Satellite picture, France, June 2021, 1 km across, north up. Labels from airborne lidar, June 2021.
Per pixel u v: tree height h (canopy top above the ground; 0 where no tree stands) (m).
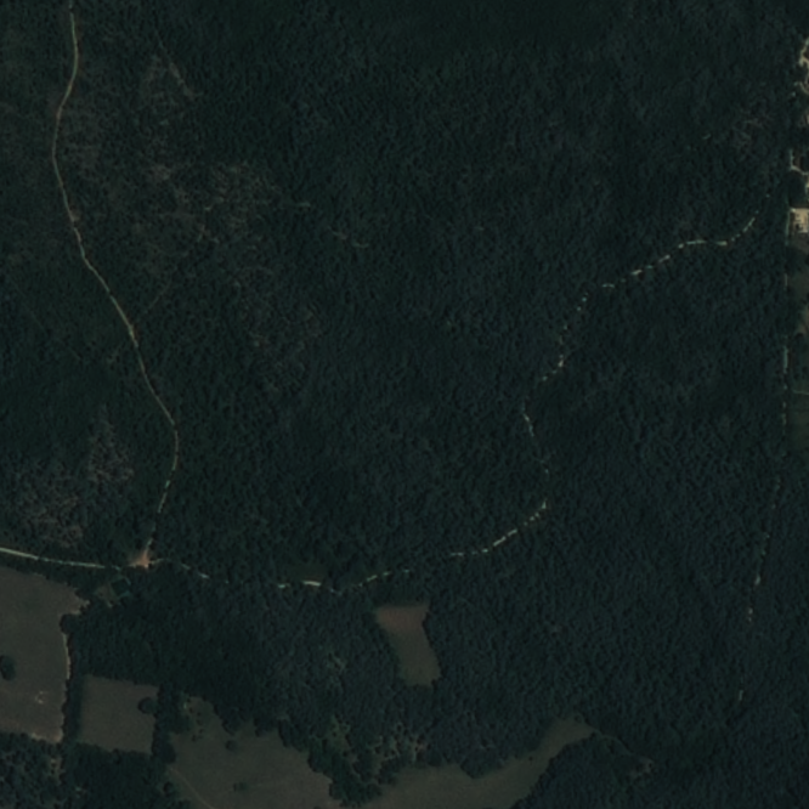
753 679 17
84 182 10
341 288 10
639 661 15
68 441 9
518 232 17
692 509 13
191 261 14
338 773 17
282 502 12
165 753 21
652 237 10
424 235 11
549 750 0
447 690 16
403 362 21
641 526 16
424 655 0
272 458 15
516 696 19
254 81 13
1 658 11
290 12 9
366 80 14
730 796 16
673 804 13
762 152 20
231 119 13
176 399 14
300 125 18
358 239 7
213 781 0
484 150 10
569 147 18
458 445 15
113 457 17
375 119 13
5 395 14
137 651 19
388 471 15
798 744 21
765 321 14
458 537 15
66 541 14
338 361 18
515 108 18
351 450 14
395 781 11
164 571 15
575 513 21
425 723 18
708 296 15
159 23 13
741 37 19
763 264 15
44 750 12
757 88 15
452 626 19
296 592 11
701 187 18
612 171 13
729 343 18
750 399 15
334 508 16
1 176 9
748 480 18
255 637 19
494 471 18
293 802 0
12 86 7
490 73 12
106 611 14
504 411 14
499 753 17
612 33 18
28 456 13
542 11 14
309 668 17
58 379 13
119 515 13
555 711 18
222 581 13
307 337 15
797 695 19
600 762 18
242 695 18
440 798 0
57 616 0
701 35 14
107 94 8
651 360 13
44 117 7
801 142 9
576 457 15
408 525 18
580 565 16
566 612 18
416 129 18
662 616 17
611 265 16
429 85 11
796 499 20
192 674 22
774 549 20
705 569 17
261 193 18
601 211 17
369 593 18
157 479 6
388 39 16
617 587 20
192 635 16
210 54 12
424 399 16
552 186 14
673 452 18
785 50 17
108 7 16
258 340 14
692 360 18
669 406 20
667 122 14
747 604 15
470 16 14
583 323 10
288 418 22
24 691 0
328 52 13
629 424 15
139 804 23
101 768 25
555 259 16
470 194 10
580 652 20
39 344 13
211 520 10
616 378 20
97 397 12
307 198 13
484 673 19
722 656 18
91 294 11
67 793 17
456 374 17
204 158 13
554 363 13
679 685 20
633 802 19
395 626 0
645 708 12
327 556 14
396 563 17
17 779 24
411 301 15
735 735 15
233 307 9
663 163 16
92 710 0
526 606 15
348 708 18
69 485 16
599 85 15
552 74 12
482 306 17
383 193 16
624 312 20
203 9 15
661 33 13
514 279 16
